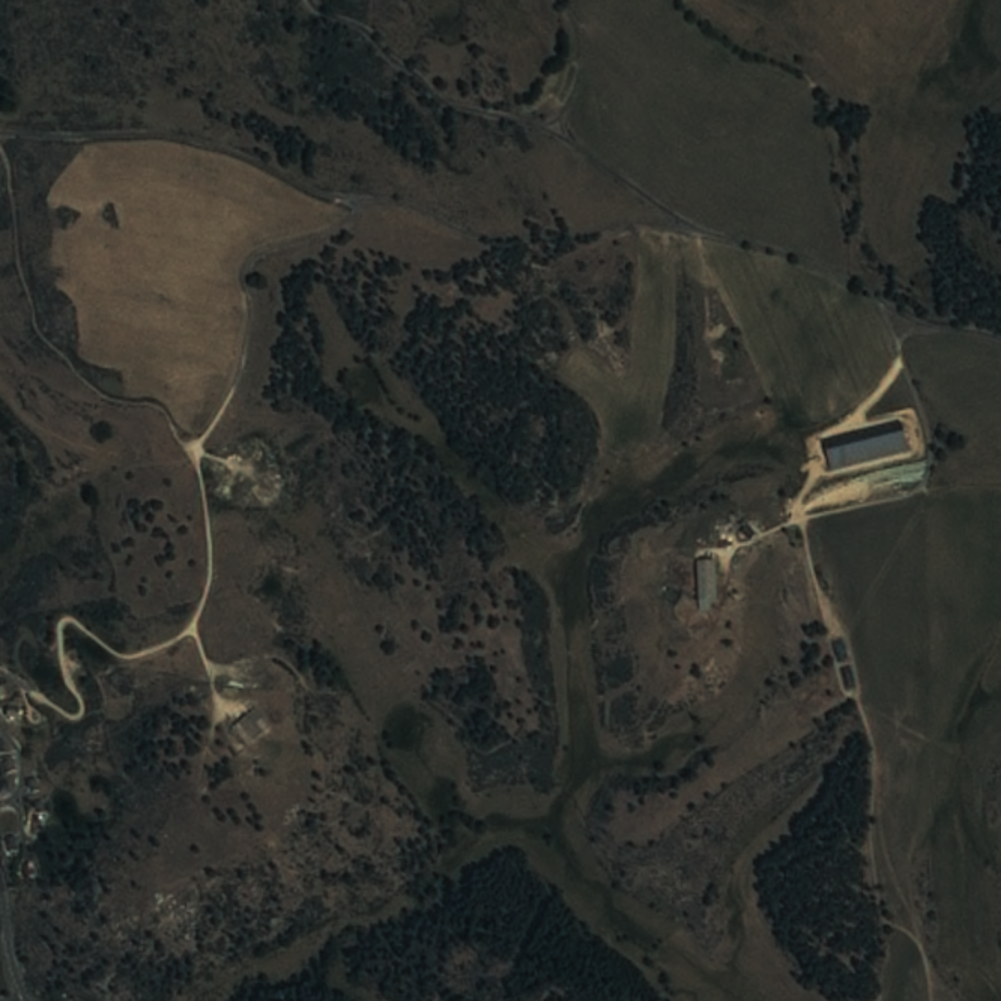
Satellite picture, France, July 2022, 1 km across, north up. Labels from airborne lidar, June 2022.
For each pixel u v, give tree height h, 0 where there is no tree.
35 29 0
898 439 0
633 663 0
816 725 8
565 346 13
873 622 0
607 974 18
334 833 0
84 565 0
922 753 0
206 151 0
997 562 0
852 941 18
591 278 0
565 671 0
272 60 0
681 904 0
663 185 0
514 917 18
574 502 0
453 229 0
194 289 0
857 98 0
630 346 0
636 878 0
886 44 0
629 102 0
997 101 0
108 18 0
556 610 0
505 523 0
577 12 0
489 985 11
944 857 0
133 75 0
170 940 0
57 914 0
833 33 0
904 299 14
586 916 0
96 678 0
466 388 14
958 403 0
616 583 0
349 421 18
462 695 15
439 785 0
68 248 0
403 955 18
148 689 0
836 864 19
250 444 0
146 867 0
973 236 0
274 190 0
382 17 0
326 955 18
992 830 0
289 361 14
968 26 0
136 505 10
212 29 0
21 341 0
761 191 0
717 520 0
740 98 0
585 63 0
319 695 0
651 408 0
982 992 0
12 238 0
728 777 0
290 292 15
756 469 0
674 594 0
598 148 0
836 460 0
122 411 0
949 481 0
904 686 0
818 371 0
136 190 0
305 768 0
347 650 0
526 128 0
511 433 10
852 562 0
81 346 0
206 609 0
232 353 0
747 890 0
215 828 0
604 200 0
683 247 0
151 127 0
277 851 0
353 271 8
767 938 0
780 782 0
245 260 0
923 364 0
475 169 0
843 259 0
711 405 0
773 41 0
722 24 0
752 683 0
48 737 0
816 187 0
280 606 0
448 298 0
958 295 12
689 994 0
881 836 0
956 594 0
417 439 10
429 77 0
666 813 0
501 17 0
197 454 0
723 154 0
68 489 0
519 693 0
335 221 0
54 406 0
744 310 0
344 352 0
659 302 0
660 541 0
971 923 0
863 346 0
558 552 0
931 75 0
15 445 14
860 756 13
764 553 0
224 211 0
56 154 0
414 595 0
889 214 0
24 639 0
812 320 0
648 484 0
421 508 7
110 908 0
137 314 0
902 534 0
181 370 0
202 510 0
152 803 0
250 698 0
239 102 0
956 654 0
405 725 0
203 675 0
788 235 0
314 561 0
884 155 0
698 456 0
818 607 0
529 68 0
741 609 0
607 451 0
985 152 14
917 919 0
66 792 0
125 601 0
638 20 0
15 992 0
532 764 0
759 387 0
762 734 0
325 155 0
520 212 0
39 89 0
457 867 0
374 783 0
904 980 0
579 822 0
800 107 0
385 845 0
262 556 0
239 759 0
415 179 0
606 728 0
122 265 0
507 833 0
